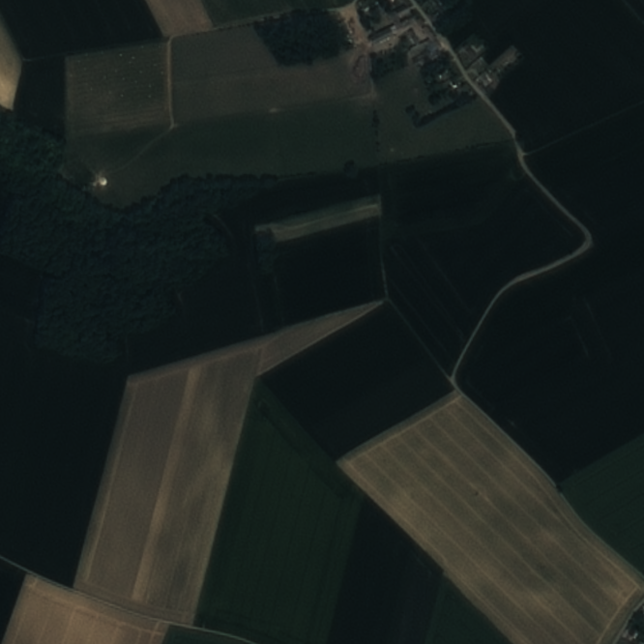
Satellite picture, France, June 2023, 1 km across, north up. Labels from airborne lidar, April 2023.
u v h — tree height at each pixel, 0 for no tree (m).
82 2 0
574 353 0
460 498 0
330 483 0
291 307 0
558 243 0
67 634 0
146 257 33
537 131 0
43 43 0
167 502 0
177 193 22
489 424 0
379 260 0
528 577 0
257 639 0
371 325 0
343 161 0
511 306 0
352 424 0
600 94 0
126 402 0
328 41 17
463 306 0
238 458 0
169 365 0
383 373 0
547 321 0
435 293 0
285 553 0
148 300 29
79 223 19
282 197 0
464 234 0
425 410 0
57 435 0
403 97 0
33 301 0
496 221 0
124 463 0
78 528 0
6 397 0
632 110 0
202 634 0
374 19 9
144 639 0
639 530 0
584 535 0
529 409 0
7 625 0
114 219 18
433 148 0
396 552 0
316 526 0
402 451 0
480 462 0
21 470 0
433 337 0
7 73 0
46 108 0
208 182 19
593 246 0
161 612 0
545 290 0
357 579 0
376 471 0
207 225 17
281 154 0
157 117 0
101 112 0
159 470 0
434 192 0
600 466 0
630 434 0
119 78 0
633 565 0
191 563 0
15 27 0
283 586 0
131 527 0
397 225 0
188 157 0
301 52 18
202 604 0
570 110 0
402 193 0
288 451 0
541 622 0
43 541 0
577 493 0
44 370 0
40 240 29
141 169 0
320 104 0
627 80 0
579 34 0
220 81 0
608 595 0
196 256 23
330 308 0
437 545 0
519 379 0
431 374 0
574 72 0
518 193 0
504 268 0
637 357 0
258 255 16
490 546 0
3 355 0
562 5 0
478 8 0
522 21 0
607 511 0
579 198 0
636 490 0
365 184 0
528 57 0
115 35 0
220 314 0
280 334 0
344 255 0
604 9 0
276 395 0
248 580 0
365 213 0
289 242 0
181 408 0
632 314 0
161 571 0
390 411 0
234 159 0
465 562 0
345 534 0
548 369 0
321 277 0
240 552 0
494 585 0
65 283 32
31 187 23
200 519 0
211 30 0
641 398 0
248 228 0
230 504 0
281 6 0
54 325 21
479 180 0
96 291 24
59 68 0
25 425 0
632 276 0
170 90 0
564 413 0
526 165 0
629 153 0
